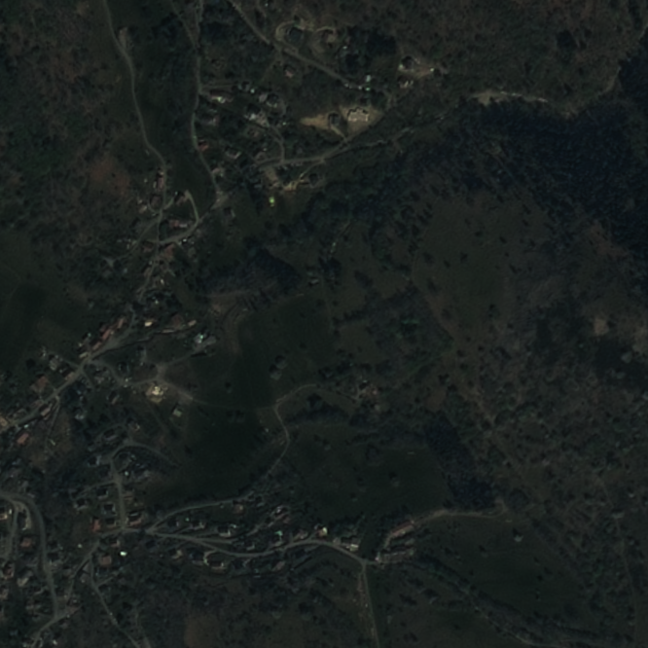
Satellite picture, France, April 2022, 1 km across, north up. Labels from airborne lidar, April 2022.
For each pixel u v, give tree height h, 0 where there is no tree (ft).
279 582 0
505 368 27
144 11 23
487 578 0
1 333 0
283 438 0
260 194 59
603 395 0
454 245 0
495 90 37
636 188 83
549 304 0
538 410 38
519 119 78
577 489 0
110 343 0
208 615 0
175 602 52
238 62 53
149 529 0
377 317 74
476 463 73
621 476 0
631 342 0
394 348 86
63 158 39
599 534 22
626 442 57
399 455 0
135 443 0
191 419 0
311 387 0
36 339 0
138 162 0
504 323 0
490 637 0
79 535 0
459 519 0
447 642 0
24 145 59
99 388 17
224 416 0
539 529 63
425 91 44
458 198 25
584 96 38
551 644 29
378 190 58
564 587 0
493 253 0
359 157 51
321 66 0
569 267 0
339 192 56
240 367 0
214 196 30
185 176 0
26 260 0
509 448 0
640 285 36
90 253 41
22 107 59
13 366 0
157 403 0
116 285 44
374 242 40
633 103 52
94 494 18
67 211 45
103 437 0
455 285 0
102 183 0
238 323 0
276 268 94
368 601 0
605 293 0
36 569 0
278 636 0
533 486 0
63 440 0
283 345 0
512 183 76
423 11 19
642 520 0
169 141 0
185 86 81
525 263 0
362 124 0
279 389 0
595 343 0
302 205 0
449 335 25
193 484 0
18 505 0
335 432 0
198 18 0
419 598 0
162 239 23
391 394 25
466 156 60
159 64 0
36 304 0
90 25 66
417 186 54
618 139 102
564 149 74
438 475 0
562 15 27
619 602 45
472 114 64
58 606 0
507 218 0
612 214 42
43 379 0
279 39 0
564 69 54
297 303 0
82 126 29
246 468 48
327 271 68
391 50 94
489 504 83
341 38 42
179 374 0
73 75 0
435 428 53
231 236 29
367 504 0
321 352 0
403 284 0
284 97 48
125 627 43
